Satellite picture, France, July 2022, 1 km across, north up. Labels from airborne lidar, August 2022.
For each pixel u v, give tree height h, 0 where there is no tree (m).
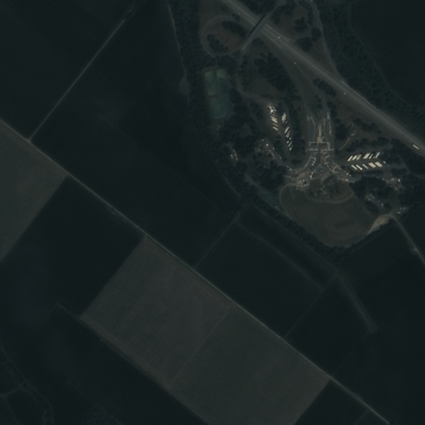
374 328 0
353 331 0
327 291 0
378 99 16
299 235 7
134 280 0
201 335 0
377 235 11
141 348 0
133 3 0
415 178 16
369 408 0
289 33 0
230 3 0
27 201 0
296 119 12
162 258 0
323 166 0
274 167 14
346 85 0
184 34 16
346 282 0
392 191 11
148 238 0
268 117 0
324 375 0
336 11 13
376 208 21
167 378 0
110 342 0
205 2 0
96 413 18
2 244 0
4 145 0
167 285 0
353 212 0
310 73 0
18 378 16
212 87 0
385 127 0
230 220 8
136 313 0
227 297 0
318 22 0
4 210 0
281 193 0
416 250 0
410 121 0
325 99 0
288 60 0
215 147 20
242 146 19
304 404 0
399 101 10
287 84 13
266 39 0
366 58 23
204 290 0
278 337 0
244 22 0
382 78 8
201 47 9
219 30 0
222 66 14
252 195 21
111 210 7
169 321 0
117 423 13
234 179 21
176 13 11
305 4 16
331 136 0
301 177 0
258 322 0
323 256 13
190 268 0
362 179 11
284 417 0
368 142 9
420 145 0
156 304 0
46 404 16
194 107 18
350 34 15
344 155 0
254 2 16
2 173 0
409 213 13
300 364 0
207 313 0
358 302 0
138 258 0
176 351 0
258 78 0
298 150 13
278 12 8
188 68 6
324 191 0
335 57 16
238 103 21
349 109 0
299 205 0
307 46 12
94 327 0
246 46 0
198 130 10
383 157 14
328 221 0
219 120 0
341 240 0
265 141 0
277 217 8
